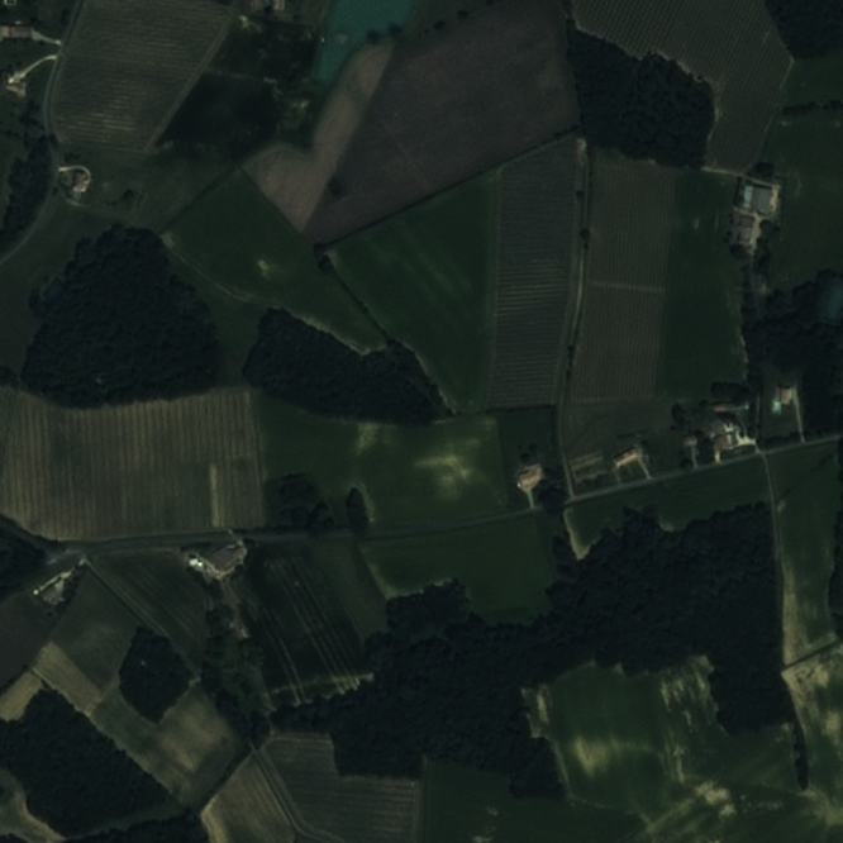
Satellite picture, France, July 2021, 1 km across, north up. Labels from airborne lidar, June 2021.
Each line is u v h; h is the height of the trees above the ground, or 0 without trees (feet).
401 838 0
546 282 0
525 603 0
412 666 71
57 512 0
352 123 0
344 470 0
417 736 58
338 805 0
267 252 0
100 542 0
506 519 0
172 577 0
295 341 62
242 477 0
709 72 0
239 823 0
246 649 33
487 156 0
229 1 0
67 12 23
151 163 0
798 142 0
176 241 0
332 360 56
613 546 90
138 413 0
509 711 71
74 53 0
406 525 0
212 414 0
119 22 0
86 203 0
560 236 0
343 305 0
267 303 0
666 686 0
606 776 0
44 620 0
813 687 0
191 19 0
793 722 25
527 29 0
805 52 30
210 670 54
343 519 0
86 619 0
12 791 0
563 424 0
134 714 0
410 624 65
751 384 29
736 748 0
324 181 0
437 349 0
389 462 0
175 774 0
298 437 0
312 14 0
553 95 0
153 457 0
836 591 52
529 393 0
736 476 0
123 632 0
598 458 0
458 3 0
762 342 52
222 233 0
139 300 91
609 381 0
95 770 72
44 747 66
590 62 58
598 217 0
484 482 0
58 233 0
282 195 0
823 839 0
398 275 0
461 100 0
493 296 0
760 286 0
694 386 0
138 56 0
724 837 0
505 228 0
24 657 0
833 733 0
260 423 0
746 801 0
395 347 39
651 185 0
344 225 0
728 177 0
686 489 0
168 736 0
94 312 72
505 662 103
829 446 0
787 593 0
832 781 0
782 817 0
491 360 0
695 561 96
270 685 0
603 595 101
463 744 78
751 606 52
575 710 0
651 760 0
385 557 0
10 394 0
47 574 0
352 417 58
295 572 0
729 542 50
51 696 57
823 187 0
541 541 0
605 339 0
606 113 68
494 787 0
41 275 0
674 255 0
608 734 0
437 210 0
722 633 57
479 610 0
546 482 23
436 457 0
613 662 34
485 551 0
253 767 0
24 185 82
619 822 0
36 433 0
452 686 91
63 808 55
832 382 39
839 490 0
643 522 101
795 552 0
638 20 0
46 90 0
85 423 0
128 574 0
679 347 0
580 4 0
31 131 66
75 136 0
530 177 0
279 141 0
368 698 98
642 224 0
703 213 0
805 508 0
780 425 0
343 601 0
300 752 0
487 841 0
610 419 0
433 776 0
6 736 65
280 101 0
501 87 0
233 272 0
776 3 50
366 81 0
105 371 31
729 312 0
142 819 0
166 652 67
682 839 0
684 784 0
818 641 0
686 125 75
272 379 47
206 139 0
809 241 0
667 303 0
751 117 0
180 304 57
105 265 75
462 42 0
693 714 0
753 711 56
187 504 0
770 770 0
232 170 0
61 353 27
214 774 0
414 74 0
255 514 0
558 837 0
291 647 0
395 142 0
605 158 0
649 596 71
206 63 0
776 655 55
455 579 0
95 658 0
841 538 56
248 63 0
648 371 0
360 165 0
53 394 71
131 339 69
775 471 0
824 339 31
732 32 0
